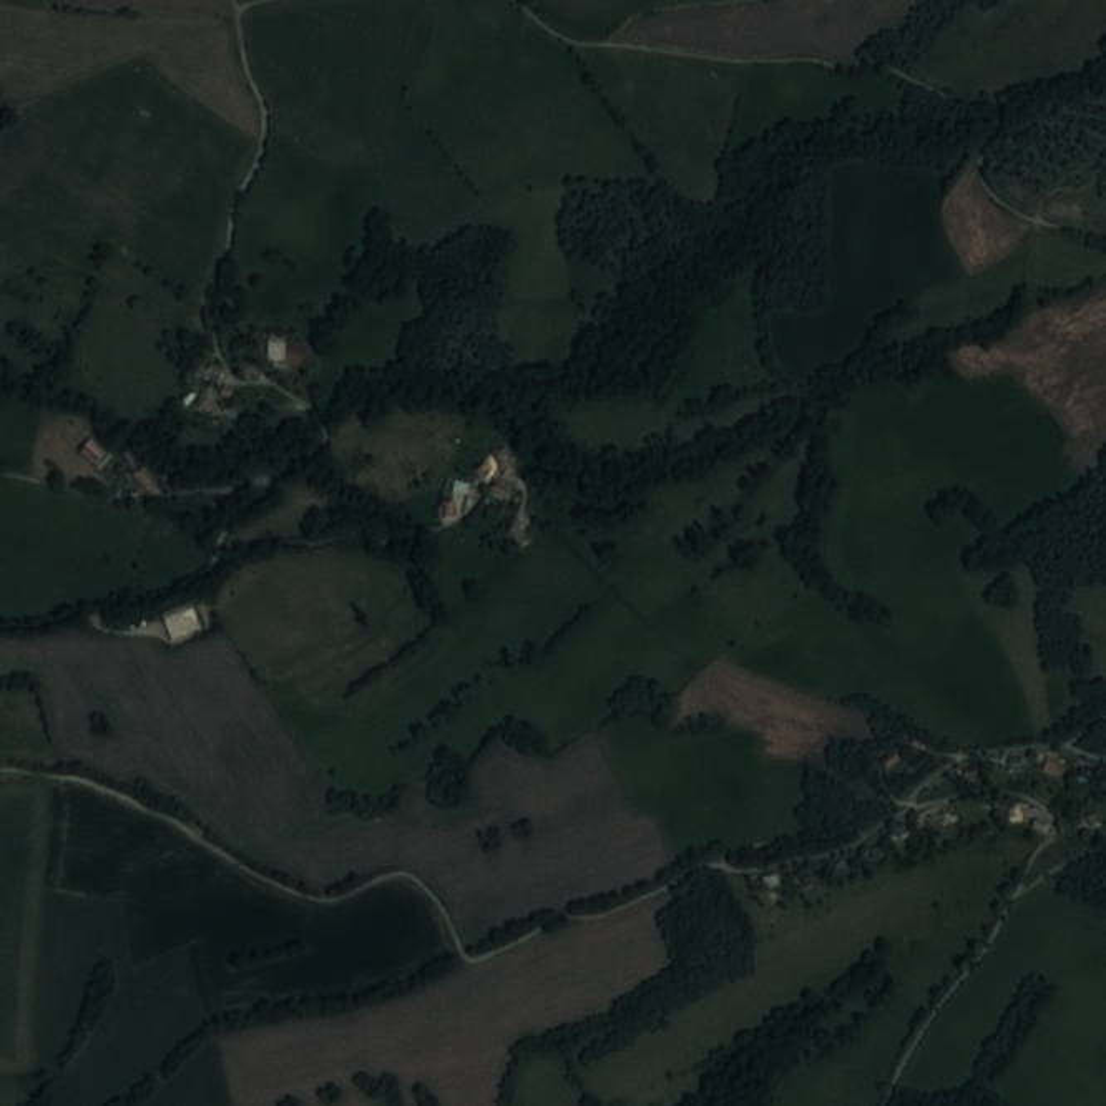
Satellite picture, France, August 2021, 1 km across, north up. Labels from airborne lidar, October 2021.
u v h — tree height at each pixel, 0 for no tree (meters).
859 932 0
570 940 0
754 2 0
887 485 0
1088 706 9
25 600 0
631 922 0
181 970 0
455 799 9
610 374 24
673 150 0
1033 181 7
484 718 0
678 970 11
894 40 9
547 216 0
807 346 0
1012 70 0
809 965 0
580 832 0
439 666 0
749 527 0
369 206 0
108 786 8
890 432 0
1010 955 0
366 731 0
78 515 0
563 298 0
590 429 0
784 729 0
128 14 8
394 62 0
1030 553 15
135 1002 0
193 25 0
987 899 0
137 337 0
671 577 0
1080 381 0
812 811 6
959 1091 7
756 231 28
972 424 0
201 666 0
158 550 0
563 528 0
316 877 0
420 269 15
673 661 0
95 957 0
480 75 0
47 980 0
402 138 0
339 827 0
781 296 12
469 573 0
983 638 0
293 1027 0
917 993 0
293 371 0
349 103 0
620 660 0
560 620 0
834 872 9
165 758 0
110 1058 0
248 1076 0
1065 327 0
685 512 0
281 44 0
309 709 0
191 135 0
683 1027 0
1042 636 8
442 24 0
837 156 14
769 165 23
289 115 0
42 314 0
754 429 21
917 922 0
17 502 0
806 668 0
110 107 0
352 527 22
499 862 0
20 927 0
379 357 0
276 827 0
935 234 0
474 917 0
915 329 0
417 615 0
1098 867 10
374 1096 6
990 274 0
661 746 0
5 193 0
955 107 15
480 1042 0
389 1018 0
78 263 0
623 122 11
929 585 0
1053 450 0
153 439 22
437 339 11
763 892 16
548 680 0
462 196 0
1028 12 0
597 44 0
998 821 13
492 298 13
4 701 0
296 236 0
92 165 0
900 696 0
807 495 17
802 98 0
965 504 15
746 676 0
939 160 12
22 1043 0
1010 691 0
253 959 10
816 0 0
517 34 0
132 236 0
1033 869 0
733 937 8
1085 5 0
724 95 0
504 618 0
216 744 0
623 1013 13
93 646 0
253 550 15
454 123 0
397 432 0
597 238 17
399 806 8
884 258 0
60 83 0
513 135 0
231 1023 13
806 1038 16
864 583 0
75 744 0
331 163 0
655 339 34
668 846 0
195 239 0
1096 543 17
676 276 35
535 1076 0
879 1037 0
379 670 9
